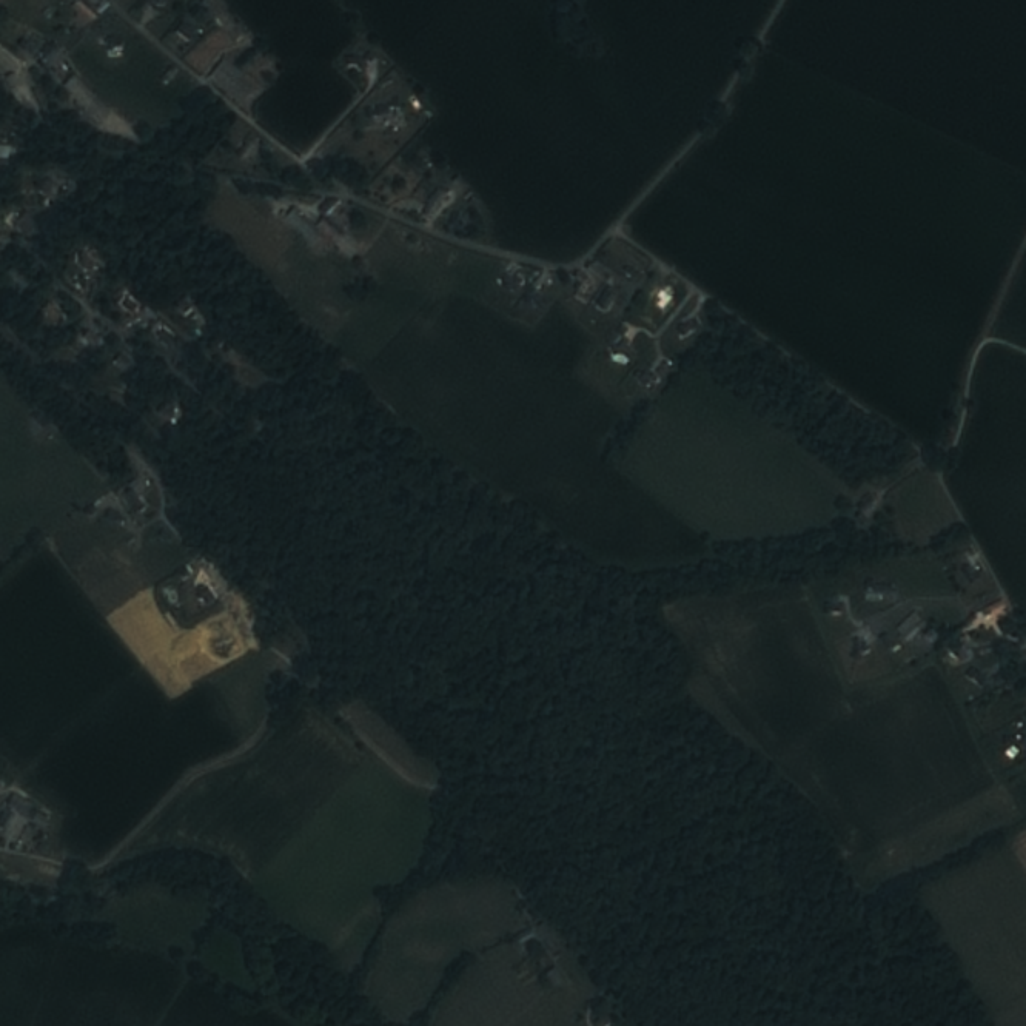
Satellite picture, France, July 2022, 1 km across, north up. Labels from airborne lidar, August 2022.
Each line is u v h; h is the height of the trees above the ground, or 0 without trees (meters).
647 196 0
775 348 18
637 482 0
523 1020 0
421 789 0
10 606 0
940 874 12
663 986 31
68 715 0
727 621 0
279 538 19
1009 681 16
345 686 22
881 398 0
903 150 0
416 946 0
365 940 0
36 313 21
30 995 0
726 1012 27
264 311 34
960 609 0
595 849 26
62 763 0
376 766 0
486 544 29
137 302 6
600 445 0
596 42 23
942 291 0
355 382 22
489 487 13
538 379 0
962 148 0
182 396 19
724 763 24
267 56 10
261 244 0
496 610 23
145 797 0
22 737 0
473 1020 0
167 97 0
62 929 17
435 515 27
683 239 0
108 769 0
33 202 8
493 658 18
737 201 0
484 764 19
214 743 0
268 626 25
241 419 22
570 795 26
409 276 0
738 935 27
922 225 0
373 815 0
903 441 24
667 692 19
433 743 23
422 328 0
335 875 0
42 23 0
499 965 0
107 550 0
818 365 0
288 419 27
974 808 0
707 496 0
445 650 28
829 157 0
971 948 0
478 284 0
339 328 0
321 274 0
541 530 15
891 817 0
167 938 0
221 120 20
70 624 0
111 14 0
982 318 0
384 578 31
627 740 23
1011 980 0
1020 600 0
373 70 0
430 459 6
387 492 25
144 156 14
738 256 0
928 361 0
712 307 15
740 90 0
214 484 21
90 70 0
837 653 0
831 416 26
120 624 0
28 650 0
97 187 20
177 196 20
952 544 8
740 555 15
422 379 0
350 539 23
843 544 11
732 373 18
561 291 0
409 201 0
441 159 21
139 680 0
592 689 29
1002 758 0
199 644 0
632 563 0
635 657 17
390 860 0
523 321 0
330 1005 22
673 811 17
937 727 0
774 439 0
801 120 0
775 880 22
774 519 0
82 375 26
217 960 0
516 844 15
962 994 23
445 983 7
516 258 0
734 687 0
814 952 27
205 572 0
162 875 24
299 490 20
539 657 24
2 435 0
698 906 25
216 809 0
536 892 24
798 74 0
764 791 18
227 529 19
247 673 0
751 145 0
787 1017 24
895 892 27
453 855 11
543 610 20
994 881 0
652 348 0
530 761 28
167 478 19
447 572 24
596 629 23
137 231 24
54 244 22
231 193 0
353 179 23
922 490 0
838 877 26
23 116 13
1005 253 0
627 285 0
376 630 29
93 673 0
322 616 28
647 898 31
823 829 6
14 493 0
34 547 14
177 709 0
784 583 19
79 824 0
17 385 20
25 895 18
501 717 20
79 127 14
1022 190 0
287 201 0
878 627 0
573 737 31
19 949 0
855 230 0
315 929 0
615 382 0
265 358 17
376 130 0
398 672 28
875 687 0
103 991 0
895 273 0
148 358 23
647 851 16
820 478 0
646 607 19
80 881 23
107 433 25
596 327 0
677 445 0
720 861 12
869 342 0
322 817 0
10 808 0
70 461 0
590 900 25
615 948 25
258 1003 16
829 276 0
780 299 0
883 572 0
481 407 0
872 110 0
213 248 23
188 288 17
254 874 0
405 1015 0
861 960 9
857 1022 22
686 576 19
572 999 0
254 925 28
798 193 0
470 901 0
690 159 0
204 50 0
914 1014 17
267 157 17
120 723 0
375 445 6
